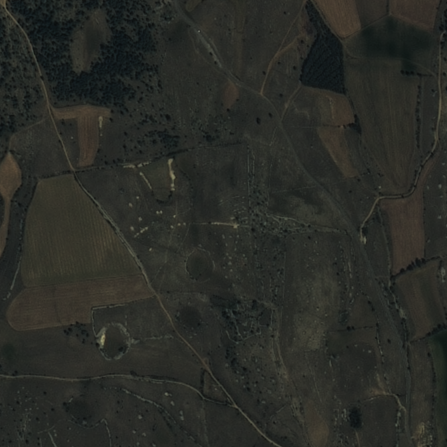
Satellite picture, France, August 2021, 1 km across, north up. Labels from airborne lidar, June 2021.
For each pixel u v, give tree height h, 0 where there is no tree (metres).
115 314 0
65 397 0
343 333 0
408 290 0
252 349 0
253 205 0
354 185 0
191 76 0
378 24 0
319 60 12
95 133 0
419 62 0
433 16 0
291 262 0
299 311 0
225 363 0
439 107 0
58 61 8
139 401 0
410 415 0
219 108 0
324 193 0
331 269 0
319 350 0
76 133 0
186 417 0
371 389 0
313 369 0
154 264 0
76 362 0
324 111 0
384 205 0
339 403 0
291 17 0
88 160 0
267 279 0
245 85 0
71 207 0
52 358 0
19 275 0
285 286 0
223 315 6
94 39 0
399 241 0
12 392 0
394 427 0
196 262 0
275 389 0
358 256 0
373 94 0
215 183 0
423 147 0
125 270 0
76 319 0
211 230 0
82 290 0
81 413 0
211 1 0
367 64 0
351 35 0
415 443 0
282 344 0
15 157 0
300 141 0
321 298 0
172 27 0
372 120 0
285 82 0
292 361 0
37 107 0
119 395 0
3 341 0
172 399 0
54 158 0
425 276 0
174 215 0
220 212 0
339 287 0
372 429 0
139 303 0
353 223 0
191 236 0
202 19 0
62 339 0
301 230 0
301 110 0
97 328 0
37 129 0
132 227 0
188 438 0
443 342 0
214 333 0
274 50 0
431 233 0
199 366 0
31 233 0
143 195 0
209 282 0
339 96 0
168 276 0
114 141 0
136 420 0
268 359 0
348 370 0
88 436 0
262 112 0
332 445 0
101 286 0
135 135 0
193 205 0
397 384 0
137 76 8
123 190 0
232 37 0
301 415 0
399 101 0
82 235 0
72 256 0
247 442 0
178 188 0
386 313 0
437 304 0
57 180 0
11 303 0
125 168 0
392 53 0
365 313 0
